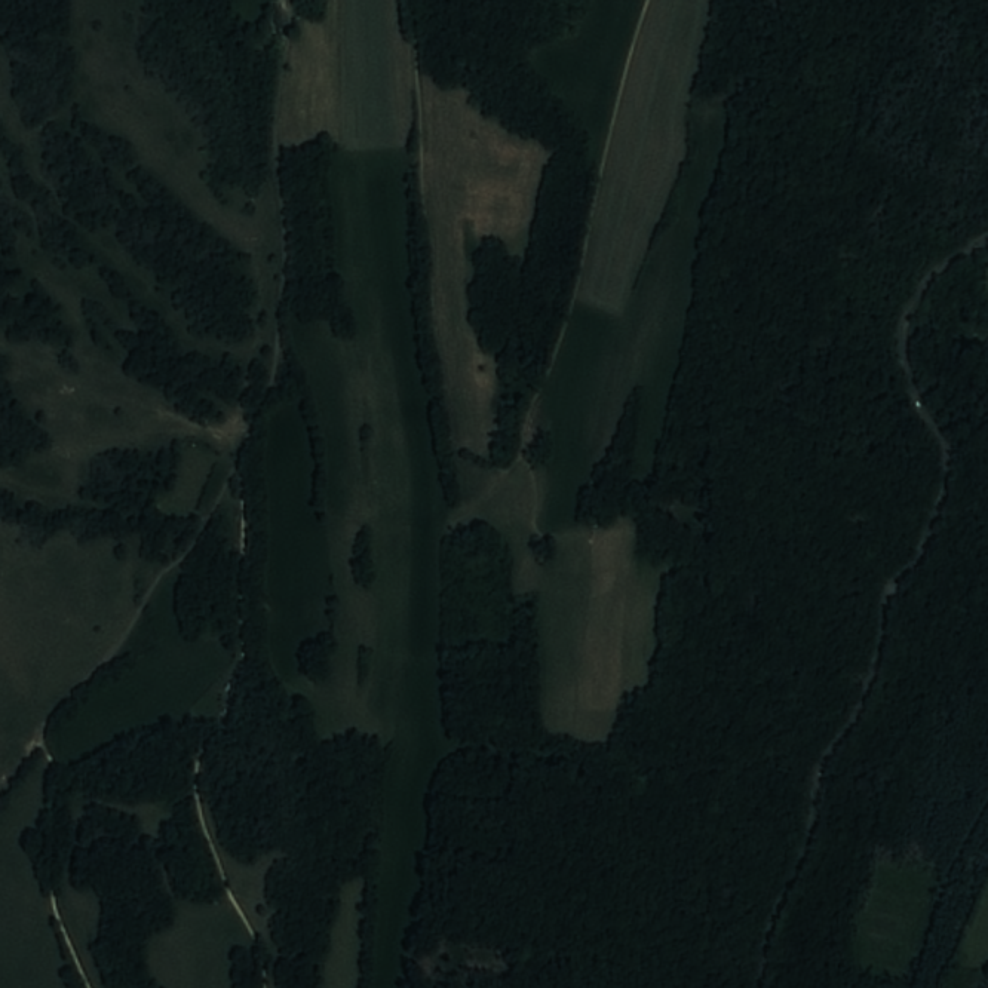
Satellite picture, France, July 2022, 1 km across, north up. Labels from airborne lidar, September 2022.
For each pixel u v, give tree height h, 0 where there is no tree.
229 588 14
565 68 0
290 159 21
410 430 0
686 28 0
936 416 10
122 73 0
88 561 0
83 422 0
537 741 15
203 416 12
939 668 21
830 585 19
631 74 0
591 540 0
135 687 0
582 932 24
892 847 19
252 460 15
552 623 0
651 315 0
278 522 0
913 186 17
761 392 24
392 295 0
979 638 23
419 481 0
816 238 16
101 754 15
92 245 0
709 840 18
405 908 0
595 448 0
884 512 18
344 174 0
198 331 10
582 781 30
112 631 0
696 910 26
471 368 0
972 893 0
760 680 25
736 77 10
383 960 0
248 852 10
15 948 0
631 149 0
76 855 16
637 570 0
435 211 0
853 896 19
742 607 18
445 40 22
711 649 22
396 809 0
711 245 16
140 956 17
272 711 15
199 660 0
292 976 10
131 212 10
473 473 0
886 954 0
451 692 18
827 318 21
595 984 25
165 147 0
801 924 18
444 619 6
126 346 8
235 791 14
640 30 0
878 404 24
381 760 24
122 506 14
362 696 0
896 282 16
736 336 20
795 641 24
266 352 12
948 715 12
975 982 0
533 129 18
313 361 0
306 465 0
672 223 6
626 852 19
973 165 18
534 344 10
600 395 0
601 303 0
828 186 14
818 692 18
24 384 0
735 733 20
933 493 20
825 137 15
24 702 0
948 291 15
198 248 8
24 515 18
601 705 0
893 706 19
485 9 15
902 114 17
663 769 25
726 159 13
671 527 27
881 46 11
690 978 23
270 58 9
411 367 0
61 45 7
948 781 14
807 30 16
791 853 21
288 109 0
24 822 0
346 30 0
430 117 0
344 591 0
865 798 17
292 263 10
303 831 17
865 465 21
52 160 9
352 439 0
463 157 0
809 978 18
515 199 0
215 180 9
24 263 0
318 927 20
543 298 17
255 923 0
